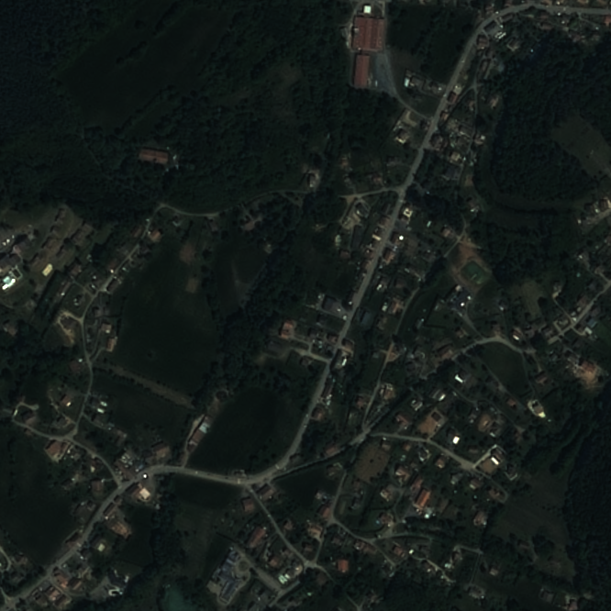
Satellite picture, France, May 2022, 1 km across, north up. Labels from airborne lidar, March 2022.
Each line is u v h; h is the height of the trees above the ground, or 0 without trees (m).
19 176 23
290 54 16
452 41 0
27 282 0
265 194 0
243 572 0
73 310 0
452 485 0
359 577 11
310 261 0
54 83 17
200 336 0
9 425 15
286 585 0
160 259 0
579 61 23
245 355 28
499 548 28
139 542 0
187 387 0
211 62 9
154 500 0
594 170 0
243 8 11
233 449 0
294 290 25
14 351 20
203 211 0
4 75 19
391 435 0
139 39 0
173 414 0
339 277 0
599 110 21
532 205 0
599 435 14
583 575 24
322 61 21
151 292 0
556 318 0
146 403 0
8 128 22
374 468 0
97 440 14
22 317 0
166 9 0
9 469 0
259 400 0
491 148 0
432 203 26
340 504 0
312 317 0
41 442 0
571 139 0
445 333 0
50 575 0
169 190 19
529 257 0
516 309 7
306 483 0
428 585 6
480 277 0
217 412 0
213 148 18
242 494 0
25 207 19
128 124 7
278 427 0
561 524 0
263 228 20
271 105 0
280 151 0
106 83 0
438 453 0
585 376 0
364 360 13
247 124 6
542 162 18
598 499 18
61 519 0
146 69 0
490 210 0
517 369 0
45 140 0
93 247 0
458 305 0
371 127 16
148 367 0
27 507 0
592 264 7
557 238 21
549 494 0
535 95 22
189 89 0
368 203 0
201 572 0
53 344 0
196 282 0
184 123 22
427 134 0
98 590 0
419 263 0
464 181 0
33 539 0
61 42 22
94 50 0
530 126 24
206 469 0
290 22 24
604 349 0
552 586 21
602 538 17
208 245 0
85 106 0
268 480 0
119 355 0
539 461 19
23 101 22
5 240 0
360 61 0
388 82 0
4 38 32
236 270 0
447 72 0
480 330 6
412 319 0
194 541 0
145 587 22
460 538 6
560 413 0
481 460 0
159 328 0
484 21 0
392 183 11
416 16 0
